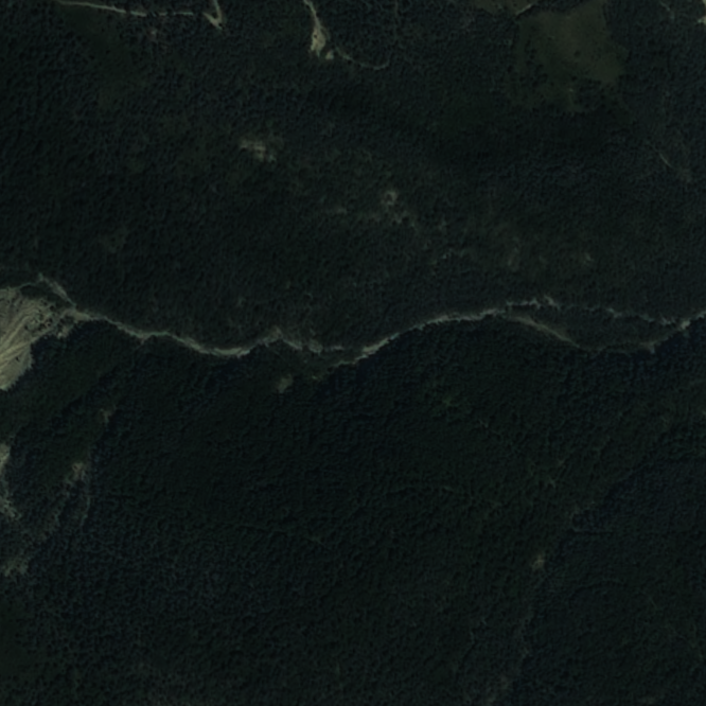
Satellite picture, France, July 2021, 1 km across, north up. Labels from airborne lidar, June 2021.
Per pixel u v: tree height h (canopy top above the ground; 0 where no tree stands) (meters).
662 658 12
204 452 17
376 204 13
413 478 8
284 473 22
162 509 13
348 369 14
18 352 0
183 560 8
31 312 0
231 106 16
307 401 20
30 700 11
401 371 18
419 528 21
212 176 15
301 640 11
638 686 13
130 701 10
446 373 17
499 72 11
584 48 0
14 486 8
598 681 9
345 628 11
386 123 15
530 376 27
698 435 14
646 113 9
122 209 12
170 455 18
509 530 21
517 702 9
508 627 8
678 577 10
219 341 9
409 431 24
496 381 21
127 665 8
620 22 10
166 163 17
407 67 13
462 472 18
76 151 10
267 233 20
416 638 15
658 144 10
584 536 10
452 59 8
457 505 15
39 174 20
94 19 0
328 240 13
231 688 8
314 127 11
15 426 12
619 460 12
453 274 7
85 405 25
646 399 9
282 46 9
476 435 20
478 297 14
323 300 18
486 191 12
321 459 23
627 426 14
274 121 9
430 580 16
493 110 10
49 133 14
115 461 20
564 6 11
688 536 11
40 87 16
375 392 23
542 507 16
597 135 15
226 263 14
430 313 12
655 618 10
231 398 18
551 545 16
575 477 15
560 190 12
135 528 7
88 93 10
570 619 8
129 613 13
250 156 9
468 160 18
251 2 9
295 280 17
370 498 19
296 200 9
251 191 12
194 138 11
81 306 5
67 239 14
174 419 21
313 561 13
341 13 8
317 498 19
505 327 13
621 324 13
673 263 9
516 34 10
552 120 10
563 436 14
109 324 12
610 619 13
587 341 8
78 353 23
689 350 20
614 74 0
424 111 13
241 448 18
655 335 15
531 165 19
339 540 20
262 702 10
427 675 9
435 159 10
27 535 11
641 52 10
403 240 12
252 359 17
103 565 14
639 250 11
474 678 13
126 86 6
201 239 13
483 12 8
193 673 14
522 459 19
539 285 13
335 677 10
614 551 13
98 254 14
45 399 23
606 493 14
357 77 6
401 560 15
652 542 12
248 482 24
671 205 7
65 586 15
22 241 12
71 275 14
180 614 7
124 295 14
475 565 13
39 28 9
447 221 15
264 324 8
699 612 11
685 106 10
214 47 6
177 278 13
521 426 17
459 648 15
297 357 10
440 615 12
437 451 24
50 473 15
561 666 9
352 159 12
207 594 14
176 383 21
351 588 10
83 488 11
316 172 8
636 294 16
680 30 8
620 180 20
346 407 14
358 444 19
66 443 18
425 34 8
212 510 20
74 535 11
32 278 7
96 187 10
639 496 21
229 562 15
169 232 19
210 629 9
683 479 16
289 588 18
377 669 11
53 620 10
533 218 9
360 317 16
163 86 11
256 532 18
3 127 24
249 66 8
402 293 17
